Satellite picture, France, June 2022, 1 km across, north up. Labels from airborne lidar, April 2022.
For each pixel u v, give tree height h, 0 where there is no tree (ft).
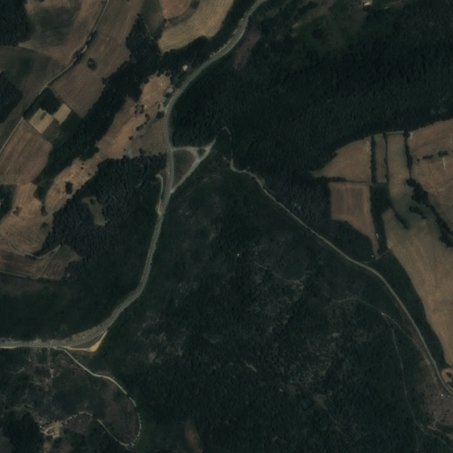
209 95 67
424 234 0
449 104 41
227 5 0
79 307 0
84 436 25
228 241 47
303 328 31
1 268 0
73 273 32
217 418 56
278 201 25
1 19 59
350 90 54
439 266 0
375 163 25
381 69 95
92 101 0
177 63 24
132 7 0
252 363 28
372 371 33
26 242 0
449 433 0
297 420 23
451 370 0
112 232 37
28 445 37
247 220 31
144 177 51
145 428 0
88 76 0
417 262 0
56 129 0
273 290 31
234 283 28
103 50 0
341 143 33
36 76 0
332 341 24
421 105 40
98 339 0
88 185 64
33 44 0
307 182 48
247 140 46
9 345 0
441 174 0
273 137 61
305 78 77
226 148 24
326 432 32
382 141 0
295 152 37
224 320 27
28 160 0
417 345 0
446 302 0
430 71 61
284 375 23
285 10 36
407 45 30
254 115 35
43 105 31
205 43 34
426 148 0
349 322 29
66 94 0
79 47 0
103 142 0
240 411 57
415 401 22
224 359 34
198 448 0
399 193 0
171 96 49
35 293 0
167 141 0
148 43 30
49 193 0
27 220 0
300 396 25
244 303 45
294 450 47
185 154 0
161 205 0
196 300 45
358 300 19
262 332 21
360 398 31
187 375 37
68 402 0
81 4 0
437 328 0
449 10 25
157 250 29
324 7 0
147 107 0
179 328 23
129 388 28
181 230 0
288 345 40
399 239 0
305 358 34
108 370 0
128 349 18
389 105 57
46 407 0
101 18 0
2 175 0
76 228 48
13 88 40
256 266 22
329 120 56
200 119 48
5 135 0
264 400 42
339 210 0
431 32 19
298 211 29
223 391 43
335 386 28
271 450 45
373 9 25
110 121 57
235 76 39
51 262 0
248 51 0
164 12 0
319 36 46
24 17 47
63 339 0
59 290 0
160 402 42
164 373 32
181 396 48
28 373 0
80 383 0
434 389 0
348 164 0
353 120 48
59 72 0
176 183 0
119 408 0
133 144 0
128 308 25
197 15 0
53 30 0
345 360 24
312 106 70
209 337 30
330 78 51
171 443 0
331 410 21
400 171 0
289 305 26
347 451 28
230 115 39
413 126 35
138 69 45
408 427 25
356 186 0
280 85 62
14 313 0
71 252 0
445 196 0
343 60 34
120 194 43
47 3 0
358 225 0
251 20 34
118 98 56
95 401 0
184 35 0
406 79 64
